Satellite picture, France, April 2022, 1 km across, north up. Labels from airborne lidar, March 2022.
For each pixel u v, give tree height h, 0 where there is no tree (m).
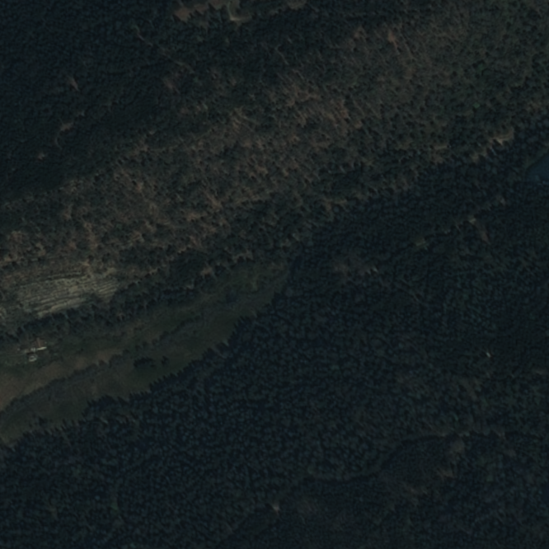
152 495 23
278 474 6
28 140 17
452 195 19
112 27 15
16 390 0
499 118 23
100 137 21
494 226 12
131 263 15
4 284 13
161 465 6
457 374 6
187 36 16
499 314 14
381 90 31
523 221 17
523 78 42
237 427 30
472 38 26
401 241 24
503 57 10
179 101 27
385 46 29
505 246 12
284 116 29
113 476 20
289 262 15
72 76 17
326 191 22
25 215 13
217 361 30
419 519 24
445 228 9
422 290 20
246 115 22
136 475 28
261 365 29
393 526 21
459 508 29
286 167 29
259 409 32
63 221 18
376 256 28
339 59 30
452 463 18
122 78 18
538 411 13
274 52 19
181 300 27
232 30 7
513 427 24
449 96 35
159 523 27
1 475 14
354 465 26
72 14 16
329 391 33
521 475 21
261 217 22
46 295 0
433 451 20
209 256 16
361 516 21
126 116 15
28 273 18
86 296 9
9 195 21
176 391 32
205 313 17
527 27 39
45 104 14
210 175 30
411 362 30
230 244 23
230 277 23
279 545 18
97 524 17
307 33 14
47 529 29
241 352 30
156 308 26
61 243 20
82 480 20
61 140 14
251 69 15
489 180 21
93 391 0
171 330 0
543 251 10
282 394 34
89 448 9
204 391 33
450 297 9
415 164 26
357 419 29
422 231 24
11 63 11
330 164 11
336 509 19
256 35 14
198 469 31
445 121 35
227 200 12
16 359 0
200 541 20
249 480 32
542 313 13
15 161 14
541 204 21
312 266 26
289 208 15
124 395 0
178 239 29
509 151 26
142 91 17
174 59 10
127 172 26
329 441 25
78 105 18
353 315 14
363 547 21
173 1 22
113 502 32
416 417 28
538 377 14
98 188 27
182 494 32
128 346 0
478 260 15
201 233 29
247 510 30
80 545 19
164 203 19
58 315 0
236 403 34
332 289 27
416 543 20
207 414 29
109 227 23
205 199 31
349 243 25
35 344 0
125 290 10
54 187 12
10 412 13
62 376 0
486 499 21
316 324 25
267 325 13
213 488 26
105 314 22
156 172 12
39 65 18
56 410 0
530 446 20
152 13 10
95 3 13
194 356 0
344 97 28
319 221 26
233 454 33
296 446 11
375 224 21
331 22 11
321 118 33
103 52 23
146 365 17
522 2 28
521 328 10
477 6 37
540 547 17
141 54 14
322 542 19
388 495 15
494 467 20
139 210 14
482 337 12
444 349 12
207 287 25
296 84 24
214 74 23
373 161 0
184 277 17
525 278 22
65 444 15
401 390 36
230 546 21
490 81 27
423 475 17
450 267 13
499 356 15
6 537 16
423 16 13
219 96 23
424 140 16
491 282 17
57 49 14
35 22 11
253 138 26
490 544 17
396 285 10
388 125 38
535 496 26
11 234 10
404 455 19
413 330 9
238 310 14
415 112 37
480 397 29
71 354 0
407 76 32
